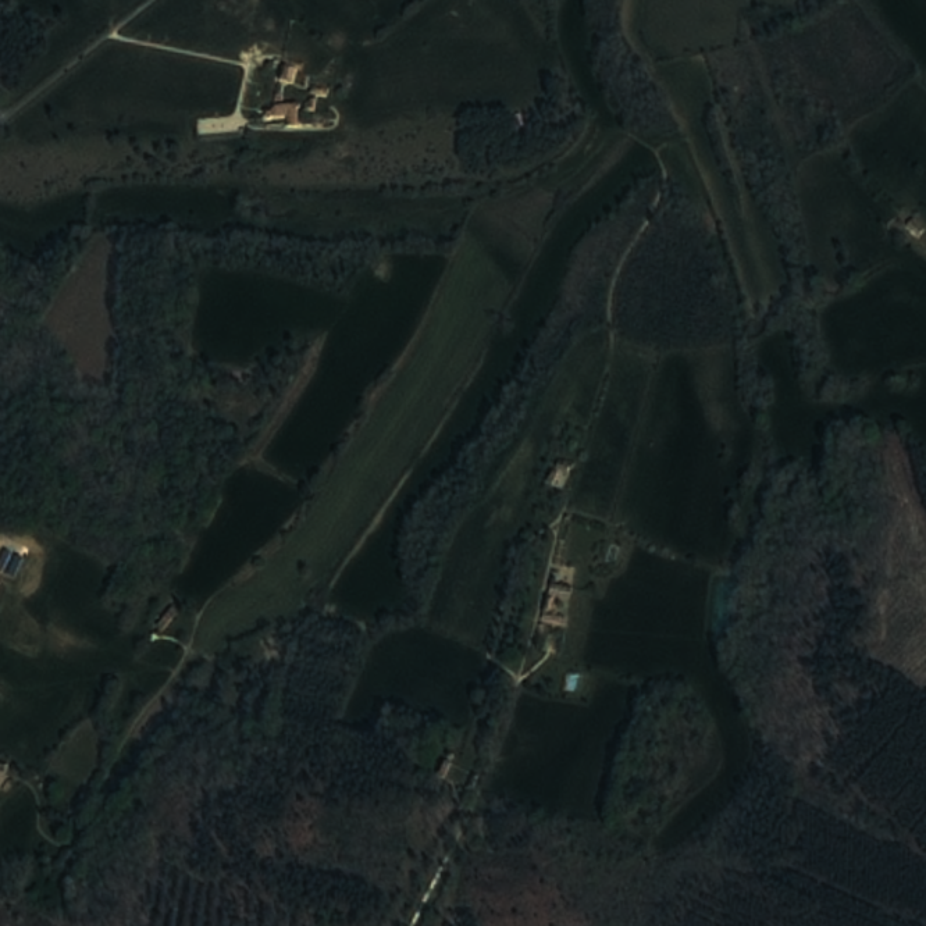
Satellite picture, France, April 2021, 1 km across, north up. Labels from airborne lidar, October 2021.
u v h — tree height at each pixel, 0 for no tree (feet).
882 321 0
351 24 0
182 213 0
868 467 48
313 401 0
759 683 60
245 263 49
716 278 71
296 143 0
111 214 0
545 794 0
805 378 39
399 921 37
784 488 58
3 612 0
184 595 0
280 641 39
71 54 0
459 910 22
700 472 0
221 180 0
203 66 0
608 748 0
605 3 62
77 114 0
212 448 66
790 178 36
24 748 0
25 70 74
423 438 0
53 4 0
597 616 0
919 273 0
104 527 87
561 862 34
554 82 67
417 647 0
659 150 0
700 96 0
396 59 0
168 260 57
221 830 50
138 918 49
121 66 0
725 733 0
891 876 42
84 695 0
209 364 62
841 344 0
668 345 25
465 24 0
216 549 0
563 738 0
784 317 81
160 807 0
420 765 19
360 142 0
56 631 0
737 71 0
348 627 48
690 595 0
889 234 0
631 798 76
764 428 48
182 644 51
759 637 44
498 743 48
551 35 46
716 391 0
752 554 65
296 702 65
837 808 47
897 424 52
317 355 0
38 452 74
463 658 0
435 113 21
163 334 57
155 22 0
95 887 51
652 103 72
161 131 0
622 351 0
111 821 73
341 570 0
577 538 0
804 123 35
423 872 30
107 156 0
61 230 0
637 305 22
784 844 76
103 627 0
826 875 47
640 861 49
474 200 23
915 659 0
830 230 0
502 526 0
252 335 0
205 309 0
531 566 68
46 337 63
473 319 0
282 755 70
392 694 0
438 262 0
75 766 0
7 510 73
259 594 0
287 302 0
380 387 32
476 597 0
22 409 61
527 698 0
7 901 63
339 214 21
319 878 70
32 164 0
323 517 0
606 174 0
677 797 45
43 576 0
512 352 0
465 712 0
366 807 73
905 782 59
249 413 0
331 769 57
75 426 73
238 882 57
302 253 62
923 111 0
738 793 38
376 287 0
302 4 0
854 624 57
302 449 0
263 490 0
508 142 52
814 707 33
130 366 73
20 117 0
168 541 85
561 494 41
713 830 73
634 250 17
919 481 54
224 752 52
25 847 0
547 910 23
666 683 51
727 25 0
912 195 0
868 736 57
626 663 0
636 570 0
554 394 0
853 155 32
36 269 57
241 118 0
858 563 62
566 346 19
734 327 28
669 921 50
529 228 0
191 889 44
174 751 58
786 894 71
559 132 60
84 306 0
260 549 0
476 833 49
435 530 44
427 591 49
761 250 0
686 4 0
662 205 21
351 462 0
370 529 0
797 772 57
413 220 0
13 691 0
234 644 49
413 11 46
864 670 58
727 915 47
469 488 36
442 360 0
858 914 41
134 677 0
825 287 43
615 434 0
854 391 26
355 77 0
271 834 45
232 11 0
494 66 0
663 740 66
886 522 43
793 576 36
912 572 0
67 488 77
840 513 78
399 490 0
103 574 0
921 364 0
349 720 0
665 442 0
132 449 68
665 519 0
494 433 54
